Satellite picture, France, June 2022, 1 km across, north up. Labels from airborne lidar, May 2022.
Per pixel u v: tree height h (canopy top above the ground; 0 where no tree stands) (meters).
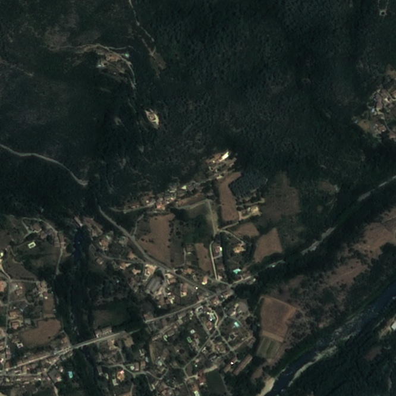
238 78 13
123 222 9
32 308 7
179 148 7
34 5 9
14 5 8
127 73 11
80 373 10
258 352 0
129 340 0
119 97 10
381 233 0
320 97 15
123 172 10
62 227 9
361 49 15
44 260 0
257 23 11
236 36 10
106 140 18
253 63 9
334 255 9
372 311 0
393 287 0
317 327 8
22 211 8
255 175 17
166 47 13
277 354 0
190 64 14
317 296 9
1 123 14
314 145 16
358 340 14
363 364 29
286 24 24
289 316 0
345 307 8
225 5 22
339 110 9
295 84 9
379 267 8
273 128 8
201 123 16
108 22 6
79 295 7
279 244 0
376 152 15
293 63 17
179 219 7
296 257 27
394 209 0
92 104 9
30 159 15
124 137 27
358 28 18
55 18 8
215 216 0
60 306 14
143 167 8
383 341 7
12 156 11
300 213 6
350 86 9
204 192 6
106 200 14
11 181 14
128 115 20
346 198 14
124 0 9
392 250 10
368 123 0
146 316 0
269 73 20
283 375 0
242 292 16
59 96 6
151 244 0
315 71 20
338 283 7
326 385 26
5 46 13
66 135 9
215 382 0
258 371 0
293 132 6
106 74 7
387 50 9
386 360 16
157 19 13
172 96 8
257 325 10
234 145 11
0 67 6
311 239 12
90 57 10
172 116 13
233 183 18
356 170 6
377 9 10
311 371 18
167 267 0
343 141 10
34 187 7
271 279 19
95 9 7
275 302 0
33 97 6
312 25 22
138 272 7
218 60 10
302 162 18
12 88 6
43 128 10
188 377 0
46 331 0
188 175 8
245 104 7
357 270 0
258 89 22
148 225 0
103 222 11
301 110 9
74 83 7
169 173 9
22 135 8
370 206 14
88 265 8
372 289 10
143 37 8
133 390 0
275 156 13
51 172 22
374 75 10
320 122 11
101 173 14
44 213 16
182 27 30
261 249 0
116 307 0
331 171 7
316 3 26
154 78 8
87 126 12
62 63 6
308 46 18
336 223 23
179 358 8
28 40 6
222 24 29
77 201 7
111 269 8
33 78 6
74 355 11
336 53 12
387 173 11
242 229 0
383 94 0
